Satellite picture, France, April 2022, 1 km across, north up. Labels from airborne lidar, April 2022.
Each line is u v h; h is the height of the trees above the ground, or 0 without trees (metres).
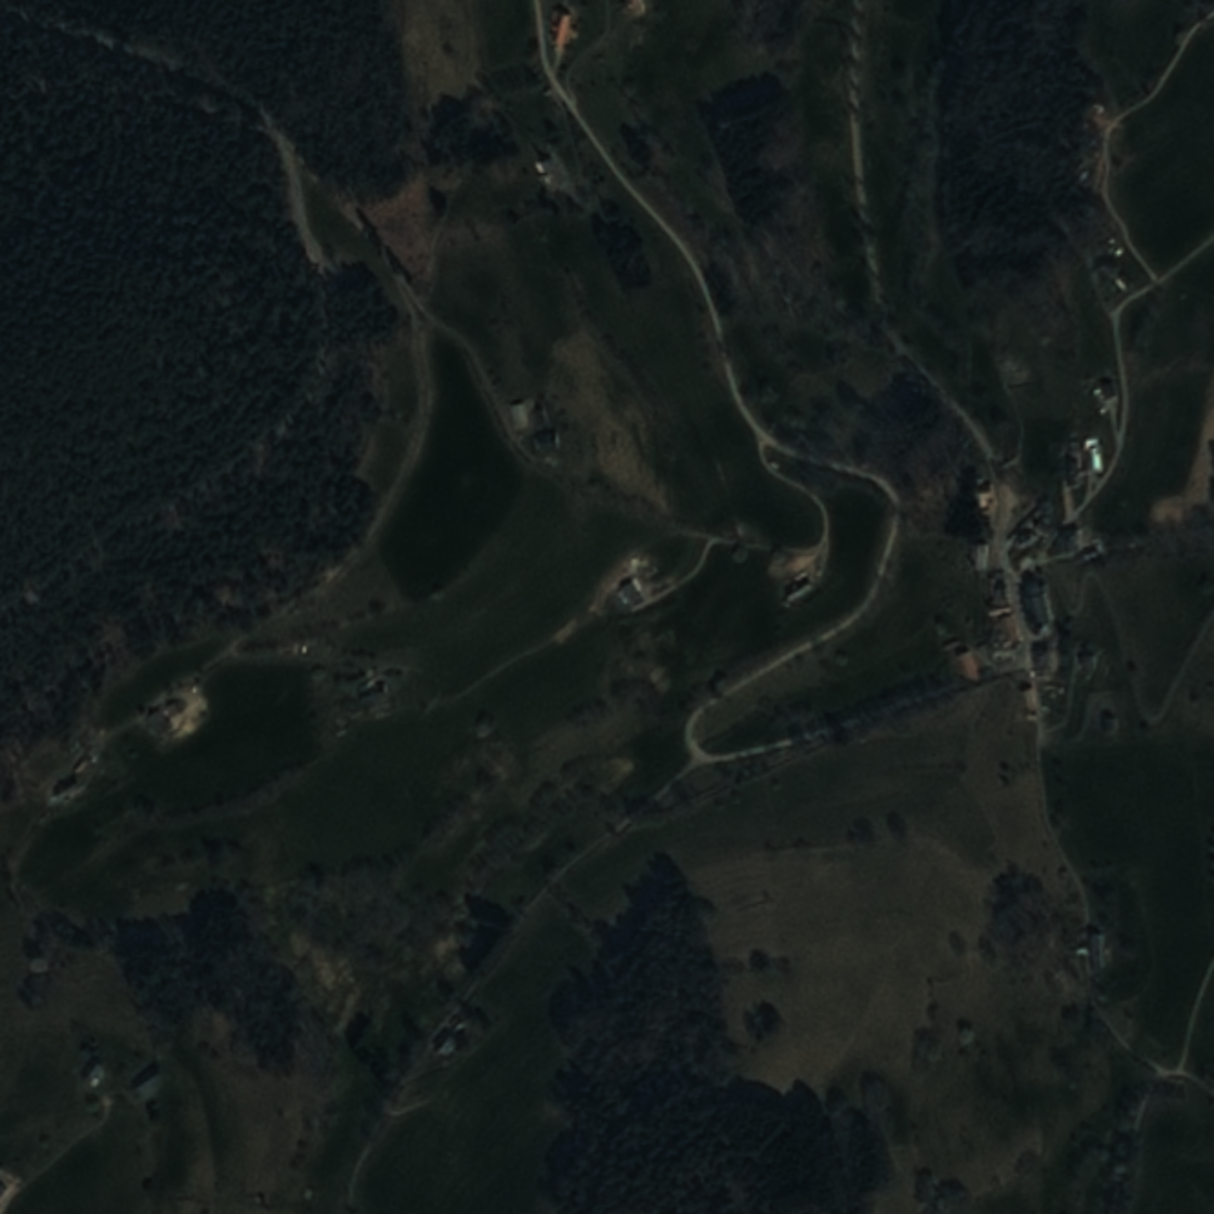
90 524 18
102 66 19
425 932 17
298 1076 14
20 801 21
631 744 0
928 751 0
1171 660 0
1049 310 25
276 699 0
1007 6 26
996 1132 0
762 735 0
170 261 21
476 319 0
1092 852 0
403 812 0
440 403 0
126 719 0
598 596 0
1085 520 0
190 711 0
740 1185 17
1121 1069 0
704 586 0
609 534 0
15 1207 0
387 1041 0
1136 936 0
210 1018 19
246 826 0
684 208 12
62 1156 0
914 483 27
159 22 20
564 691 0
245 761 0
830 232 0
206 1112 0
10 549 15
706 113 18
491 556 0
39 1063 0
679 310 0
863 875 0
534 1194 0
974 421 0
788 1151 17
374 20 19
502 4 0
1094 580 0
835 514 0
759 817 0
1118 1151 13
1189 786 0
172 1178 0
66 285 15
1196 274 0
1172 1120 0
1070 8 23
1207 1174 0
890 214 0
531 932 0
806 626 0
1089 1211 0
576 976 0
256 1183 0
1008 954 15
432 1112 0
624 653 0
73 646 22
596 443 0
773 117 30
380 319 21
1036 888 21
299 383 22
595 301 0
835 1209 21
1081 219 21
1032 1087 0
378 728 0
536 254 0
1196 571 0
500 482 0
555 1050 0
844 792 0
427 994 0
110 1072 0
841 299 19
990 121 23
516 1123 0
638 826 11
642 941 23
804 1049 0
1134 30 0
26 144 22
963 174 22
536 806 15
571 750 0
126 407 18
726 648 0
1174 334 0
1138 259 0
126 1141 0
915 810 0
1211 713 0
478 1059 0
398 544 0
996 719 0
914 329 0
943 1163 0
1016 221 17
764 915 0
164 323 20
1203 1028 0
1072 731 0
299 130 26
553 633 0
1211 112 0
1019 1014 0
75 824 0
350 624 9
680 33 0
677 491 0
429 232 0
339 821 0
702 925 12
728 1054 19
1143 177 0
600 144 0
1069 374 0
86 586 16
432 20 0
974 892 0
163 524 21
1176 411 0
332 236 0
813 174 16
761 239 14
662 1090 12
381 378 11
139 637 27
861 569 0
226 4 27
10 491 17
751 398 17
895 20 0
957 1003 0
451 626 0
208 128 22
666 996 27
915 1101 0
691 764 0
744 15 23
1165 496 0
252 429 18
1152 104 0
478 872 12
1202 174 0
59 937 15
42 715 21
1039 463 0
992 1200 0
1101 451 9
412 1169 0
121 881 0
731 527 0
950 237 21
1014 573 0
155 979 27
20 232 12
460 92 0
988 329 17
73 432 19
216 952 26
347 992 0
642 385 13
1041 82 25
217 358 24
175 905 0
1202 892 0
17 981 0
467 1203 0
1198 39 0
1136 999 0
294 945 0
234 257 10
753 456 0
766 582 0
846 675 0
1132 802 0
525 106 0
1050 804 0
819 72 0
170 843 0
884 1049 0
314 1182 0
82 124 20
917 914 0
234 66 24
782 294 19
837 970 0
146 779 0
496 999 0
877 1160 27
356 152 27
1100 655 0
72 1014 0
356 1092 0
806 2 27
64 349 19
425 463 0
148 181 23
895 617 0
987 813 0
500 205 0
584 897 0
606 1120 26
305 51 27
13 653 23
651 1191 23
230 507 20
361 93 22
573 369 0
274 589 16
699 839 0
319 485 12
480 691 0
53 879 0
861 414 26
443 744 0
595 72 0
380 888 20
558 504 0
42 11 20
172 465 18
